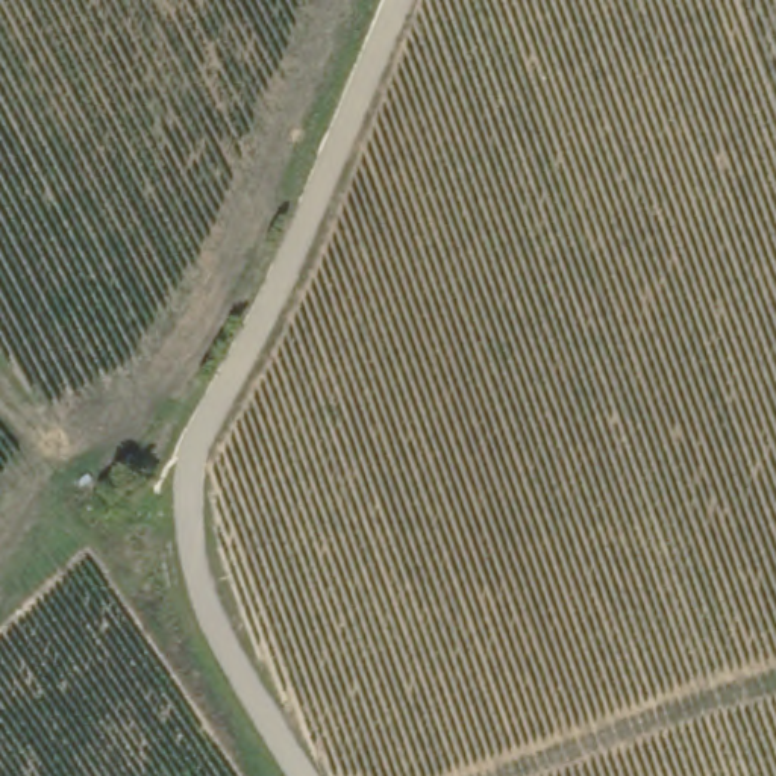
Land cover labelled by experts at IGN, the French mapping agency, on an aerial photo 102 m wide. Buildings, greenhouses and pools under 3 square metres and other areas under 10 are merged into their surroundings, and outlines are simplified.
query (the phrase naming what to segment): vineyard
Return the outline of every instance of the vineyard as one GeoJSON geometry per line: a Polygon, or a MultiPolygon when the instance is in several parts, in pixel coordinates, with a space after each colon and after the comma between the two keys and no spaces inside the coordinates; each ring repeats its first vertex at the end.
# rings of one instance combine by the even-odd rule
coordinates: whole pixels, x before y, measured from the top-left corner
{"type": "Polygon", "coordinates": [[[321,212],[300,273],[276,315],[270,336],[264,340],[252,370],[246,373],[230,409],[224,412],[209,443],[209,470],[203,473],[203,543],[218,603],[249,667],[255,670],[258,682],[264,685],[276,712],[288,724],[297,749],[303,752],[315,776],[776,776],[776,0],[418,0],[421,12],[406,12],[400,33],[394,36],[385,70],[370,97],[364,121],[352,139],[352,152],[321,212]]]}
{"type": "Polygon", "coordinates": [[[221,139],[227,139],[230,149],[243,158],[243,136],[255,121],[258,97],[267,91],[270,79],[282,64],[282,55],[288,49],[288,30],[294,24],[294,9],[303,0],[0,0],[0,349],[9,361],[18,361],[27,382],[42,391],[45,400],[58,400],[64,388],[94,382],[103,370],[121,367],[139,349],[139,336],[155,321],[155,309],[167,300],[167,291],[182,282],[188,264],[200,258],[203,239],[215,224],[215,215],[224,203],[224,191],[233,179],[230,164],[221,155],[221,139]]]}
{"type": "Polygon", "coordinates": [[[21,440],[6,418],[0,418],[0,470],[6,467],[6,461],[18,458],[21,440]]]}
{"type": "Polygon", "coordinates": [[[152,655],[139,631],[133,627],[130,615],[124,612],[121,600],[109,591],[100,567],[91,558],[85,558],[42,603],[36,603],[0,640],[0,776],[233,776],[233,770],[215,749],[215,743],[209,743],[209,737],[200,731],[185,697],[161,667],[161,661],[152,655]]]}

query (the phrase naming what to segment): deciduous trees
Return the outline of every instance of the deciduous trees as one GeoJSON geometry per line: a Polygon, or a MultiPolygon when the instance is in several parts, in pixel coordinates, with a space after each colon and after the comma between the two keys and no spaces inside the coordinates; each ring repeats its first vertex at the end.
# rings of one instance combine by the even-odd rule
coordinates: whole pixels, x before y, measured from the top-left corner
{"type": "Polygon", "coordinates": [[[133,473],[127,464],[121,464],[112,473],[112,482],[91,482],[91,503],[97,506],[94,518],[112,527],[115,534],[133,530],[136,524],[152,524],[158,515],[173,512],[173,494],[155,494],[152,479],[133,473]]]}

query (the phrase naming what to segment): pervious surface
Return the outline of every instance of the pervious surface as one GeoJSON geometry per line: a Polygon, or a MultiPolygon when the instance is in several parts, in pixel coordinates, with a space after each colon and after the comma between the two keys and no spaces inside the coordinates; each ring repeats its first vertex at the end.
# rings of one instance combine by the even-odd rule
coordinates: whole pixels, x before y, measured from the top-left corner
{"type": "Polygon", "coordinates": [[[361,42],[358,61],[343,85],[340,103],[318,142],[306,188],[294,209],[279,249],[276,261],[267,270],[267,282],[261,285],[255,303],[243,318],[239,333],[230,340],[227,358],[218,364],[209,382],[200,406],[191,412],[173,455],[167,458],[170,464],[176,464],[173,494],[173,512],[179,558],[197,621],[221,670],[227,673],[236,697],[243,700],[246,712],[252,715],[258,734],[264,737],[267,749],[273,752],[285,776],[315,776],[303,752],[297,749],[288,724],[276,712],[264,685],[258,682],[255,670],[249,667],[218,603],[203,543],[203,473],[209,470],[209,443],[224,412],[230,409],[246,373],[252,370],[264,340],[270,336],[276,315],[300,273],[321,212],[352,152],[352,139],[364,121],[370,97],[385,70],[394,36],[400,33],[406,12],[421,12],[418,0],[379,0],[367,36],[361,42]]]}

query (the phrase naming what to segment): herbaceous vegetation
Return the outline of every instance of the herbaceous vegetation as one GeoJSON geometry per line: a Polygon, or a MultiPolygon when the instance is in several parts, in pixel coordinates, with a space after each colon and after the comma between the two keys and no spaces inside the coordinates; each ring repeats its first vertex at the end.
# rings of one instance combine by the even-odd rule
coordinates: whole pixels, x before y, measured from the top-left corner
{"type": "Polygon", "coordinates": [[[136,524],[133,530],[115,534],[112,527],[94,518],[97,506],[91,503],[91,482],[112,482],[112,473],[121,464],[127,464],[133,473],[152,479],[155,494],[173,494],[176,464],[170,464],[167,458],[173,455],[191,412],[200,406],[209,382],[206,376],[197,376],[206,343],[221,327],[224,315],[243,318],[255,303],[261,285],[267,282],[267,270],[276,261],[279,249],[264,239],[264,227],[279,203],[291,203],[294,209],[306,188],[318,142],[340,103],[343,85],[358,61],[361,42],[367,36],[379,0],[303,0],[294,9],[294,24],[288,30],[288,49],[282,55],[282,64],[270,79],[267,91],[258,97],[255,121],[243,136],[243,158],[230,149],[227,139],[221,139],[221,155],[230,164],[233,179],[224,191],[224,203],[215,215],[215,224],[203,239],[200,258],[188,264],[182,282],[167,291],[167,300],[155,309],[155,321],[139,336],[139,349],[121,367],[103,370],[94,382],[64,388],[58,400],[45,400],[42,391],[27,382],[18,361],[9,361],[0,349],[0,418],[6,418],[21,440],[18,458],[6,461],[6,467],[0,470],[0,640],[36,603],[42,603],[85,558],[91,558],[100,567],[109,591],[121,600],[124,612],[130,615],[133,627],[139,631],[152,655],[161,661],[161,667],[185,697],[200,731],[209,737],[209,743],[215,743],[215,749],[233,770],[233,776],[285,776],[273,752],[267,749],[264,737],[258,734],[252,715],[246,712],[243,700],[236,697],[227,673],[221,670],[197,621],[179,558],[173,512],[158,515],[152,524],[136,524]]]}

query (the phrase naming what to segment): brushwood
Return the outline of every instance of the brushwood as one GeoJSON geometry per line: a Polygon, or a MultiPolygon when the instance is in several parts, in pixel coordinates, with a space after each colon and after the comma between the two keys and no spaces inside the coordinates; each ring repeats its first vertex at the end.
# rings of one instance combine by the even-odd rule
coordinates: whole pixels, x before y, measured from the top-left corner
{"type": "Polygon", "coordinates": [[[294,209],[291,203],[279,203],[264,227],[264,239],[279,249],[294,209]]]}
{"type": "Polygon", "coordinates": [[[206,343],[197,376],[206,376],[209,382],[218,364],[227,358],[230,340],[239,333],[243,318],[224,315],[221,327],[206,343]]]}

